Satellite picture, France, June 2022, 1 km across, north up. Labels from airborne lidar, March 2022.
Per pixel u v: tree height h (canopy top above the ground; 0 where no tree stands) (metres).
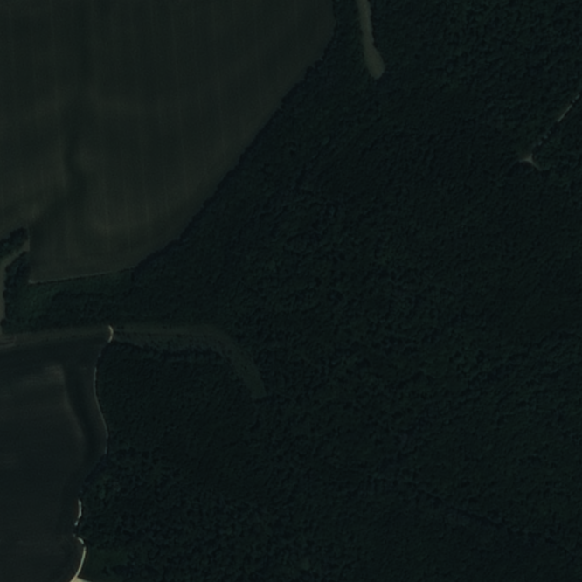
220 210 20
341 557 22
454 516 27
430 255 20
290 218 23
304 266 18
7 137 0
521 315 10
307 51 0
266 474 19
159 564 25
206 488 14
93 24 0
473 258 23
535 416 18
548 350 18
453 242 19
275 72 0
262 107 0
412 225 19
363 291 10
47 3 0
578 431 19
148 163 0
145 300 18
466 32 19
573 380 17
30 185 0
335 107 27
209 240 25
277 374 25
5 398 0
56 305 11
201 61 0
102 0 0
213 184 0
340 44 19
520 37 20
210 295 19
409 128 9
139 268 11
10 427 0
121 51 0
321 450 17
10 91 0
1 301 0
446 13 19
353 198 19
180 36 0
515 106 16
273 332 14
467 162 19
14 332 6
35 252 0
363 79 24
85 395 0
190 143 0
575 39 22
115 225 0
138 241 0
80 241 0
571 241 15
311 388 19
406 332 18
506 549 24
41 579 0
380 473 21
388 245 18
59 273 0
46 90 0
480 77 23
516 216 20
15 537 0
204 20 0
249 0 0
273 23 0
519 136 15
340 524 16
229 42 0
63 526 0
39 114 0
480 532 29
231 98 0
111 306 16
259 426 20
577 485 19
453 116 14
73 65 0
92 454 0
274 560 22
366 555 21
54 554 0
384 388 17
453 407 20
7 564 0
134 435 7
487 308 21
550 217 22
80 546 0
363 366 22
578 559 23
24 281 12
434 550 19
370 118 22
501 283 7
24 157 0
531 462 18
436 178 23
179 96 0
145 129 0
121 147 0
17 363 0
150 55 0
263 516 23
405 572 19
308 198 24
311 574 21
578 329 16
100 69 0
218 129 0
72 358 0
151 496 13
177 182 0
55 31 0
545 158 16
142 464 20
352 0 17
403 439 28
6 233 0
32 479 0
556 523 22
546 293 20
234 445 16
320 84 21
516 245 18
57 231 0
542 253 16
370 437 16
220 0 0
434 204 21
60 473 0
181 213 0
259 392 0
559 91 19
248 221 21
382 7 23
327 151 25
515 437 21
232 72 0
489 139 19
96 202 0
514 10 20
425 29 21
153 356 16
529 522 20
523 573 22
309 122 25
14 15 0
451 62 20
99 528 16
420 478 24
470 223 17
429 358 20
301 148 29
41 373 0
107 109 0
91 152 0
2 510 0
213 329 0
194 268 26
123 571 22
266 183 26
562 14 18
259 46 0
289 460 20
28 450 0
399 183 15
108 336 0
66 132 0
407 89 20
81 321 15
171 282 18
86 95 0
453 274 18
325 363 22
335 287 12
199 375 21
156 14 0
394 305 19
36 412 0
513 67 18
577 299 17
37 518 0
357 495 19
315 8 0
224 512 23
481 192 21
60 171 0
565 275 21
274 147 21
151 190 0
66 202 0
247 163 20
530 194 22
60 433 0
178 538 23
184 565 21
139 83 0
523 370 15
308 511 18
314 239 22
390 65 16
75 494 0
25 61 0
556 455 18
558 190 22
